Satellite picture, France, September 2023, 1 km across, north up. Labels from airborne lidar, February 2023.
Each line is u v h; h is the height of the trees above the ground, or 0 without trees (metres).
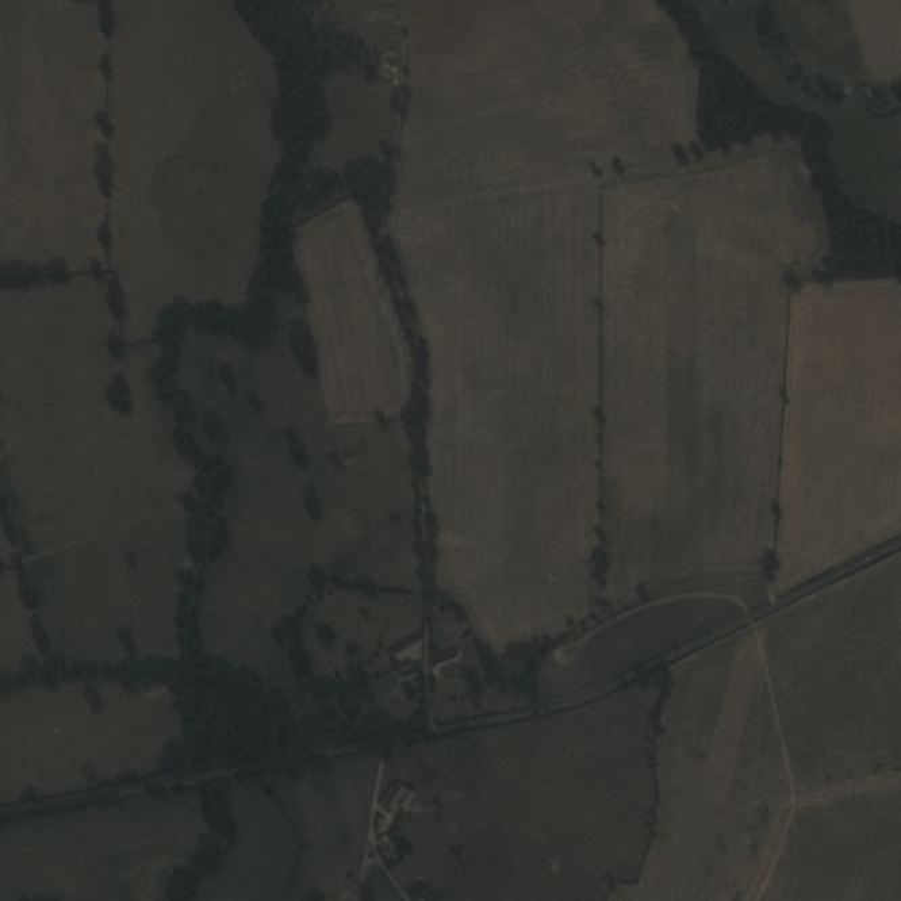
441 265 0
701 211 0
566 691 0
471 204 0
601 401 0
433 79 0
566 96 0
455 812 0
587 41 0
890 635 0
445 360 0
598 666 0
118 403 18
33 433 0
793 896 0
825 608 0
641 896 0
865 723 0
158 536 0
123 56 0
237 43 0
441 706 0
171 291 0
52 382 0
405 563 0
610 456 0
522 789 0
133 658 0
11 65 0
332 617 0
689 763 0
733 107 17
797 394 0
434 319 0
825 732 0
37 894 0
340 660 0
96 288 0
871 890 0
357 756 0
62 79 0
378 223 14
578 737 0
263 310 23
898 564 0
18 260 0
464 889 0
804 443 0
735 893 0
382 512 0
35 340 0
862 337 0
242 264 0
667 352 0
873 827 0
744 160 0
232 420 0
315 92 22
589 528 0
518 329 0
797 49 0
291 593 0
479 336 0
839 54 0
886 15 0
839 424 0
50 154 0
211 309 13
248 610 0
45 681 18
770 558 13
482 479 0
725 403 0
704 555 0
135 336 0
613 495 0
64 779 0
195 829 0
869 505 0
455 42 0
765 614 0
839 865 0
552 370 0
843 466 0
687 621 0
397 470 0
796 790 0
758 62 0
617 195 0
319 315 0
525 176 0
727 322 0
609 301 0
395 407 0
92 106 0
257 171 0
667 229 0
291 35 12
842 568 0
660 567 0
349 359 0
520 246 0
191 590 10
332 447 0
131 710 0
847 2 0
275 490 0
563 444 0
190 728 13
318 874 0
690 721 0
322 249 0
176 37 0
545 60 0
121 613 0
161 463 0
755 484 0
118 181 0
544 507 0
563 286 0
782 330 0
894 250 13
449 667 0
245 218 0
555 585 0
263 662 0
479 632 0
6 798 0
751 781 0
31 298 0
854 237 18
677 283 0
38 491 0
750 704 0
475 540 0
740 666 0
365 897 12
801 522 0
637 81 0
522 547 0
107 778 0
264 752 20
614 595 0
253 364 0
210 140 0
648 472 0
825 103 0
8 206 0
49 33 0
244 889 0
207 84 0
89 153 0
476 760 0
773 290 0
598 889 0
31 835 0
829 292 0
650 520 0
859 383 0
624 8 0
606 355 0
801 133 6
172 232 0
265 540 0
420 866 0
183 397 8
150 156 0
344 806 0
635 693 0
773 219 0
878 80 0
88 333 0
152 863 0
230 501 0
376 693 0
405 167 0
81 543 0
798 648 0
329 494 0
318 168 0
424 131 0
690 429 0
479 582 0
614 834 0
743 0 0
